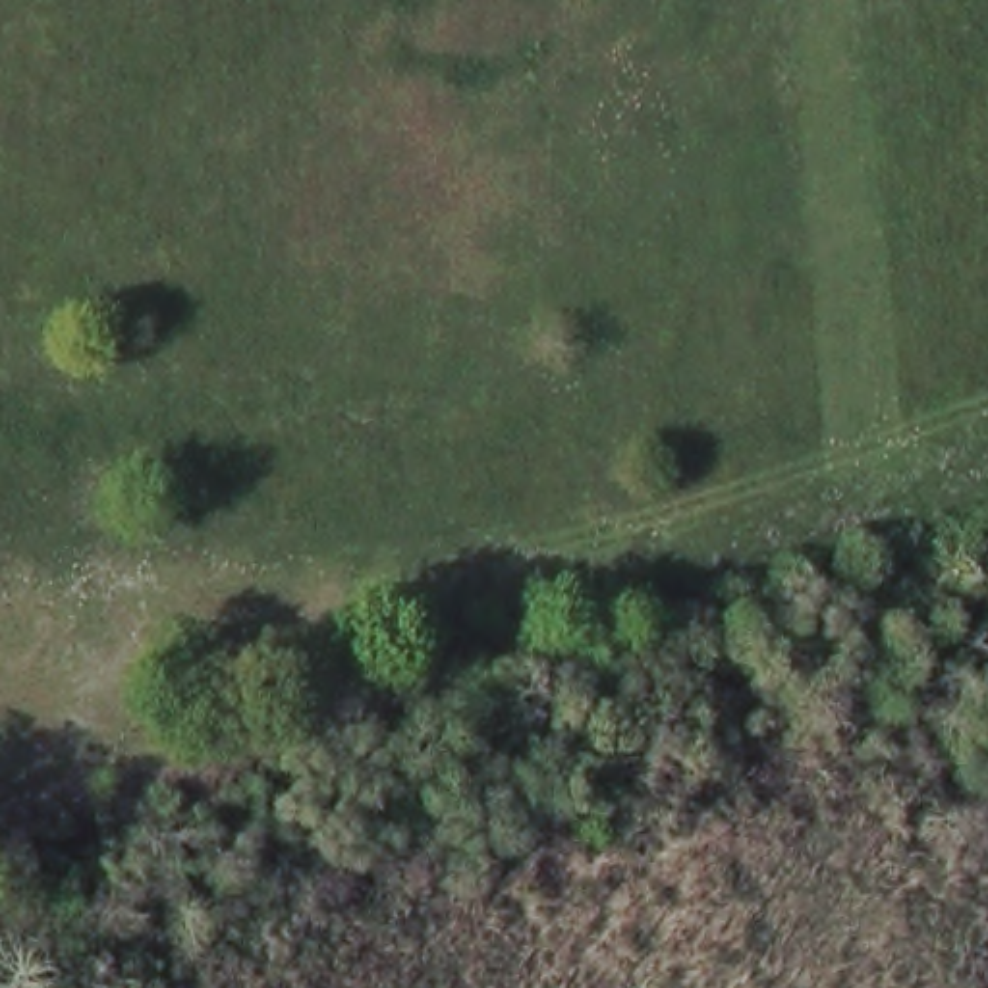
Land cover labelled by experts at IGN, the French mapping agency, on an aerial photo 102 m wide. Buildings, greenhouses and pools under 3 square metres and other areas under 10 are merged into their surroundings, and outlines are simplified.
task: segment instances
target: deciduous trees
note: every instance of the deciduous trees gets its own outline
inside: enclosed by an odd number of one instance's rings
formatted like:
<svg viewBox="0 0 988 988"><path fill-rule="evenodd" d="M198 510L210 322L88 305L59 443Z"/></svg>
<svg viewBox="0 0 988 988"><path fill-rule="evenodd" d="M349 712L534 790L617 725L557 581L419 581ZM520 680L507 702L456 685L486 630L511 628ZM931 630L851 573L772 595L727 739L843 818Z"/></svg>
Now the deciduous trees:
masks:
<svg viewBox="0 0 988 988"><path fill-rule="evenodd" d="M89 301L66 301L46 320L46 359L69 378L96 378L120 359L112 336L116 313L108 305L93 309Z"/></svg>
<svg viewBox="0 0 988 988"><path fill-rule="evenodd" d="M529 363L567 371L571 343L563 332L563 316L552 309L536 309L529 328L509 328L513 351Z"/></svg>
<svg viewBox="0 0 988 988"><path fill-rule="evenodd" d="M679 475L679 463L645 417L633 417L633 425L618 436L621 448L614 455L610 475L637 506L648 490L664 490Z"/></svg>
<svg viewBox="0 0 988 988"><path fill-rule="evenodd" d="M139 641L139 652L131 656L120 687L135 733L143 733L143 745L151 749L139 756L120 756L116 749L104 749L89 729L77 726L42 729L31 714L0 702L0 988L201 988L193 973L193 953L208 942L212 926L201 903L216 888L232 892L255 876L262 837L289 841L309 830L313 849L328 865L371 872L378 884L401 865L417 865L428 872L428 880L440 880L448 888L448 895L482 895L486 907L502 911L506 926L517 926L525 919L525 907L540 895L563 895L563 876L575 853L660 853L664 841L710 826L714 803L733 803L749 791L760 810L768 810L791 787L795 764L787 764L783 756L783 741L791 749L814 749L814 756L837 776L834 814L853 814L865 803L865 776L895 780L899 799L907 803L907 826L922 826L926 814L969 807L973 795L988 795L988 540L980 548L980 560L957 556L957 563L949 563L942 575L930 567L911 590L911 602L892 614L872 606L872 583L880 583L888 567L884 544L865 529L845 529L834 544L837 563L845 571L834 583L826 583L807 556L780 552L780 560L768 567L776 590L760 606L753 606L745 579L726 579L722 594L729 614L722 614L718 606L695 606L691 598L675 598L668 610L660 610L656 594L645 590L625 590L618 598L587 594L575 579L563 575L529 583L525 598L513 587L502 587L490 598L471 602L471 610L455 598L444 598L428 614L417 602L421 583L413 575L394 590L367 594L359 606L340 606L332 618L320 618L309 633L266 625L262 637L243 652L228 652L220 621L201 621L189 614L181 621L162 618L158 637L151 637L147 645Z"/></svg>
<svg viewBox="0 0 988 988"><path fill-rule="evenodd" d="M143 533L162 533L181 506L181 486L166 471L166 463L147 459L143 448L135 448L112 459L112 471L100 479L93 498L96 521L124 548L131 548Z"/></svg>

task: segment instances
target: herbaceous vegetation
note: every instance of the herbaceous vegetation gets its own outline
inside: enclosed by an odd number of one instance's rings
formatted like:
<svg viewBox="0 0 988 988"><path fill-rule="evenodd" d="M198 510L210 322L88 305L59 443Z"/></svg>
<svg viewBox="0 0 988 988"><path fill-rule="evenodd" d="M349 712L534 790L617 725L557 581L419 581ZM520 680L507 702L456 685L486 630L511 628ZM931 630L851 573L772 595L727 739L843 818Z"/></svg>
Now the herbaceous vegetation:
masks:
<svg viewBox="0 0 988 988"><path fill-rule="evenodd" d="M96 378L69 378L46 359L46 320L66 301L89 301L93 309L108 305L116 313L112 336L120 359ZM563 332L571 343L567 371L529 363L513 351L509 328L529 328L536 309L552 309L563 316ZM610 475L614 455L621 448L618 436L633 425L633 417L645 417L679 463L679 475L664 490L648 490L637 506ZM93 498L100 479L112 471L112 459L135 448L143 448L147 459L166 463L166 471L181 486L181 506L162 533L143 533L131 548L124 548L96 521ZM31 714L42 729L77 726L89 729L104 749L116 749L120 756L139 756L151 749L143 745L143 733L135 733L120 687L131 656L139 652L139 641L147 645L151 637L158 637L162 618L181 621L189 614L201 621L220 621L228 652L243 652L262 637L266 625L309 633L320 618L332 618L340 606L359 606L367 594L394 590L413 575L421 583L417 602L428 614L444 598L455 598L471 610L471 602L490 598L502 587L513 587L525 598L529 583L563 575L575 579L587 594L618 598L625 590L645 590L656 594L660 610L668 610L675 598L691 598L695 606L718 606L722 614L729 614L722 594L726 579L745 579L753 606L760 606L776 590L768 567L780 560L780 552L807 556L826 583L834 583L845 571L837 563L834 544L845 529L865 529L884 544L888 567L880 583L872 583L872 606L892 614L911 602L911 590L930 567L942 575L949 563L957 563L957 556L980 560L980 548L988 540L988 0L0 0L0 702Z"/></svg>

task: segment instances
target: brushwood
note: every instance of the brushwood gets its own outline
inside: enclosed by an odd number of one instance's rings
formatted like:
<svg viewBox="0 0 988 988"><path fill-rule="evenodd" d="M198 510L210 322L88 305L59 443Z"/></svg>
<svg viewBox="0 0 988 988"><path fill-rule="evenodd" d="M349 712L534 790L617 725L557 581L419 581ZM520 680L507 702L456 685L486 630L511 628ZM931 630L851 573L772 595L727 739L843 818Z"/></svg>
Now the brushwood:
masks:
<svg viewBox="0 0 988 988"><path fill-rule="evenodd" d="M787 764L795 764L791 787L768 810L760 810L749 791L733 803L714 803L710 826L664 841L660 853L575 853L563 876L563 895L540 895L525 907L525 919L517 926L506 926L502 911L486 907L482 895L448 895L448 888L440 880L428 880L428 872L417 865L401 865L378 884L371 872L328 865L313 849L309 830L289 841L262 837L255 876L232 892L216 888L201 903L212 926L208 942L193 953L193 973L201 988L988 988L988 795L973 795L969 807L926 814L922 826L907 826L907 803L899 799L895 780L865 776L865 803L853 814L834 814L837 776L814 756L814 749L791 749L783 741L783 756Z"/></svg>

